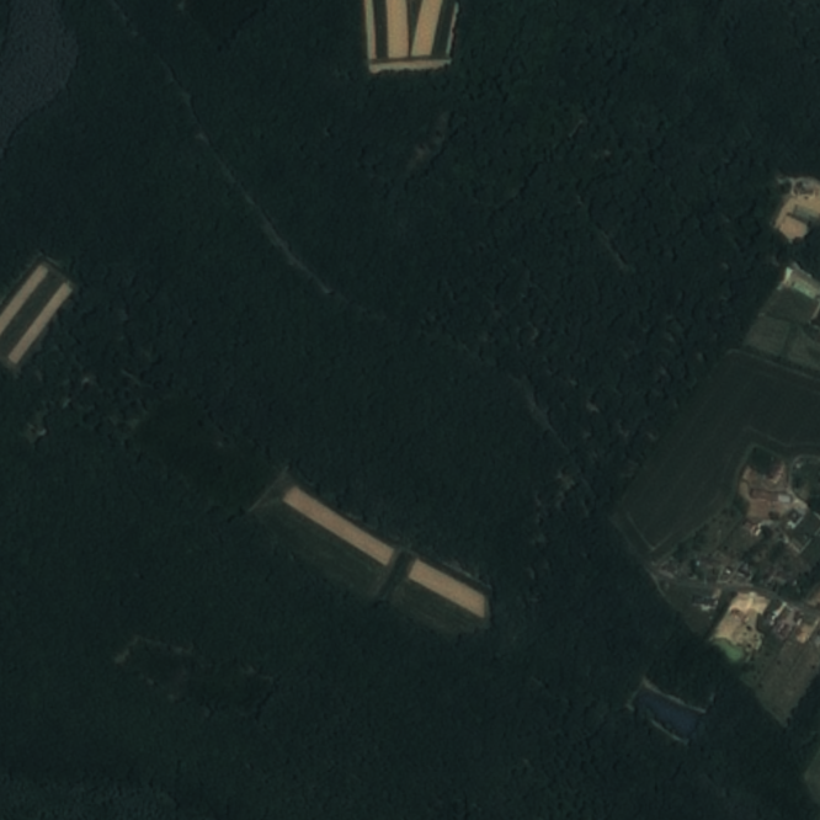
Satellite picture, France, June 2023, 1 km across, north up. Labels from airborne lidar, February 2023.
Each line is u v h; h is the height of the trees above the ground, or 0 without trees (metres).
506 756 22
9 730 22
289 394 19
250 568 22
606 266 26
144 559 20
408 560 0
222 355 20
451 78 21
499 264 22
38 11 18
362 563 0
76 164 23
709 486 0
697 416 0
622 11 24
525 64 26
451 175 21
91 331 27
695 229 22
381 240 21
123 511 23
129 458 23
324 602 25
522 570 21
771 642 0
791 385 0
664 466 0
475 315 25
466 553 20
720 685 9
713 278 26
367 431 21
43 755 21
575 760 24
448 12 0
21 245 24
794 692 0
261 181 16
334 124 22
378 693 24
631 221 23
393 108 22
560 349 22
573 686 19
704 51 21
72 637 22
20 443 18
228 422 25
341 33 22
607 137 25
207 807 19
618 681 24
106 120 21
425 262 25
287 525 0
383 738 21
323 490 23
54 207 24
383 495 23
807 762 13
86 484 21
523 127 23
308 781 21
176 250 21
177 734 20
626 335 22
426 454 21
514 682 22
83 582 21
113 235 24
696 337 23
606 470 24
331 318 21
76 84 15
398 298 24
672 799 24
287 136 21
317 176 21
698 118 28
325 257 22
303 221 22
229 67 22
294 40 24
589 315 25
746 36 26
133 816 17
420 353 21
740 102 21
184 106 14
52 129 21
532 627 22
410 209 21
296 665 17
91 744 20
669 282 24
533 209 26
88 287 22
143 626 21
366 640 22
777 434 0
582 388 18
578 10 23
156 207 19
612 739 27
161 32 19
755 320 22
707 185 24
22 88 16
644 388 20
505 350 22
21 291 0
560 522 21
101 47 19
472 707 26
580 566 16
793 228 0
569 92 23
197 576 19
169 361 23
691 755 21
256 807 19
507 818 24
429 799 22
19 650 19
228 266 18
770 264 25
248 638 17
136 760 24
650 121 27
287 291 17
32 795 16
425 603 0
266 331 22
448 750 22
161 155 19
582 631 21
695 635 14
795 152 23
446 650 22
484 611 0
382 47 0
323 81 23
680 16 23
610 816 21
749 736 25
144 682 17
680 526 0
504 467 19
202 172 19
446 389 17
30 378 20
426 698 26
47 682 22
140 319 18
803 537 0
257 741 22
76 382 20
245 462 0
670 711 0
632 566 19
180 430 0
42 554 21
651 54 21
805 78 22
